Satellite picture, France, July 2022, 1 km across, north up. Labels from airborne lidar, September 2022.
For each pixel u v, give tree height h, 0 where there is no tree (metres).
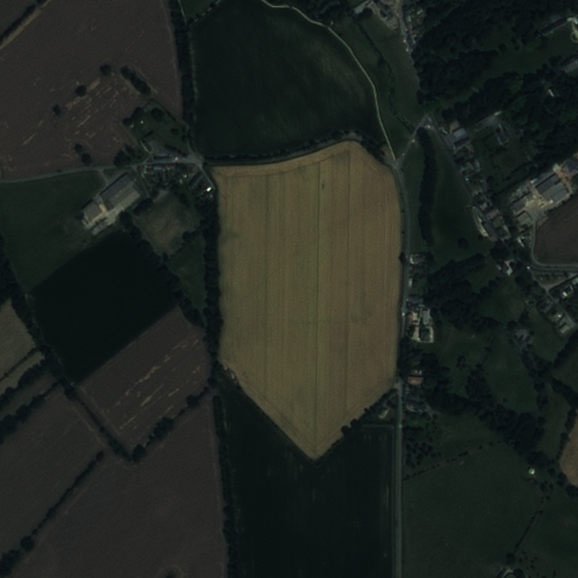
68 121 0
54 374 15
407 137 0
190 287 0
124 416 0
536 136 21
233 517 12
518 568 0
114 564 0
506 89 25
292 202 0
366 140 8
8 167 0
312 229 0
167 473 0
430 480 0
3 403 18
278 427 6
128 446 0
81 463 0
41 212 0
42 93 0
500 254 17
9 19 0
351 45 0
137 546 0
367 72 0
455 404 20
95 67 0
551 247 0
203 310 0
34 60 0
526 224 7
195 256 0
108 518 0
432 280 15
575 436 0
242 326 0
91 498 0
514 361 0
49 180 0
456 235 0
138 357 0
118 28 0
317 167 0
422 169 0
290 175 0
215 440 0
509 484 0
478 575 0
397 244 0
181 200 10
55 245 0
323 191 0
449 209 0
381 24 0
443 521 0
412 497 0
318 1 6
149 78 0
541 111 31
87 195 0
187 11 0
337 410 0
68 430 0
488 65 23
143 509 0
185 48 17
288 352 0
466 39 17
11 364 0
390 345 0
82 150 15
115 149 0
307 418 0
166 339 0
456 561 0
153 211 0
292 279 0
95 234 0
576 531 0
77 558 0
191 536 0
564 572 0
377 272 0
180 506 0
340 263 0
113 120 0
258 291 0
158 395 0
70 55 0
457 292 31
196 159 0
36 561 0
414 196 0
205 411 0
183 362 0
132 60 0
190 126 12
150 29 0
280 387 0
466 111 19
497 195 12
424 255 7
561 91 23
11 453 0
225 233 0
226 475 11
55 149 0
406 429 13
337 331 0
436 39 23
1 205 0
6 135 0
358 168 0
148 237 0
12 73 0
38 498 0
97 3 0
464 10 20
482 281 0
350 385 0
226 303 0
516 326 13
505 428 18
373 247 0
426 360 14
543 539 0
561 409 0
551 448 0
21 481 0
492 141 0
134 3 0
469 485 0
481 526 0
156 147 0
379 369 0
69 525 0
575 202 0
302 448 0
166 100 0
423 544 0
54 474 0
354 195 0
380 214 0
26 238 0
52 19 0
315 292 0
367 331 0
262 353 0
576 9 15
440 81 27
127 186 0
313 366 0
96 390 0
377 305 0
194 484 0
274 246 0
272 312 0
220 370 12
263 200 0
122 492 0
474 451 0
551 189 0
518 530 0
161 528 0
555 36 0
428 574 0
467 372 17
